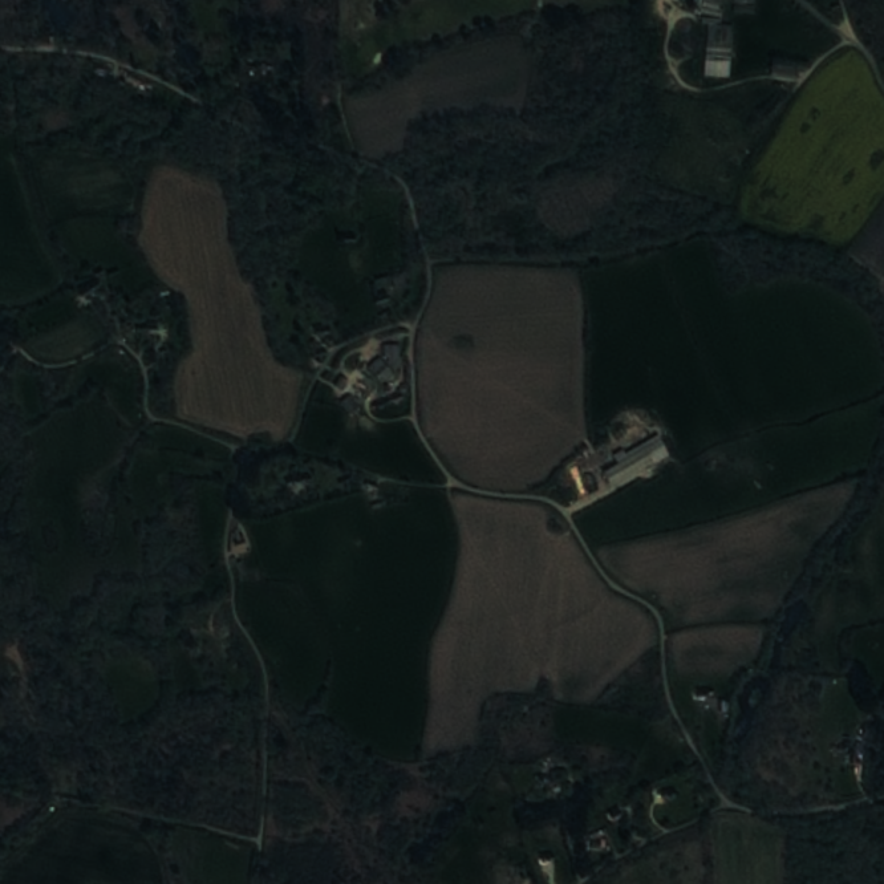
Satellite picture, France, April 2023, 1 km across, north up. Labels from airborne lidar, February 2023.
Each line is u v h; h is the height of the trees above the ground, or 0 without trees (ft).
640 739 0
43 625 33
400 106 0
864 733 33
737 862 0
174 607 61
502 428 0
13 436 27
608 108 48
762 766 25
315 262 0
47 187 0
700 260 0
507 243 28
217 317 0
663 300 0
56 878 0
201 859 0
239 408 0
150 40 44
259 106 85
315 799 24
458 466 0
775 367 0
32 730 55
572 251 35
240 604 0
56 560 0
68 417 0
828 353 0
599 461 0
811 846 35
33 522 0
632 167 35
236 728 23
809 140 0
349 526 0
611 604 0
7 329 33
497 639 0
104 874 0
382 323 39
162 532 37
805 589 40
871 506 30
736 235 24
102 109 32
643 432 0
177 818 38
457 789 33
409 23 0
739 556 0
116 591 38
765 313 0
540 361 0
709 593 0
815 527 0
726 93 0
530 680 0
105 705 42
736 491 0
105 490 0
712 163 0
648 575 0
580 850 42
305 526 0
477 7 0
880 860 29
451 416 0
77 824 0
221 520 0
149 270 0
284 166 32
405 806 0
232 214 35
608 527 0
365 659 0
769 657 22
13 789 48
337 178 65
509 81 0
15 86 50
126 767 45
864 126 0
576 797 45
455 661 0
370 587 0
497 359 0
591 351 25
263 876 59
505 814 0
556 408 0
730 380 0
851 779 0
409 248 49
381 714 0
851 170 0
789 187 0
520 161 38
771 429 0
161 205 0
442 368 0
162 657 47
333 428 0
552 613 0
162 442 0
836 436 0
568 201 39
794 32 0
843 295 36
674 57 0
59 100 29
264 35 55
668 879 0
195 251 0
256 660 0
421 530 0
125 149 36
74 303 0
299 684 0
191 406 0
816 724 0
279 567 0
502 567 0
